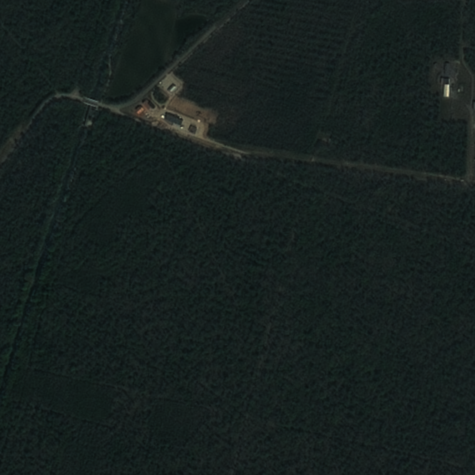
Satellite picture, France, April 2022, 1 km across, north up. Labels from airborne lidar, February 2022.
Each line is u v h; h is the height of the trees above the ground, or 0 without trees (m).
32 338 15
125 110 0
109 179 12
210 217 18
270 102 6
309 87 6
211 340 13
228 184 11
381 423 11
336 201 15
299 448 11
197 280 13
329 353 12
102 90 9
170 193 14
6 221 9
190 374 13
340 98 7
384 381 15
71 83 14
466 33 9
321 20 6
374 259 15
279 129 8
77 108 13
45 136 16
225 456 14
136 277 18
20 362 18
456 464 17
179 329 16
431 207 16
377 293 11
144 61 0
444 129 15
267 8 12
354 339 17
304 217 16
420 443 10
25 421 16
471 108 0
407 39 14
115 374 13
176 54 10
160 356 15
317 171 15
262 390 11
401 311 11
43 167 12
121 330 18
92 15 16
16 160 11
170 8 0
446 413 14
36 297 19
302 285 13
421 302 13
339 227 17
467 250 13
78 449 9
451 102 0
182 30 0
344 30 10
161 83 0
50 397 9
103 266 14
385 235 14
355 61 7
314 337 14
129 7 13
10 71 15
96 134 18
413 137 17
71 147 7
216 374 21
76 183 12
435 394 13
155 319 6
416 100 11
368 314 17
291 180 15
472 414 17
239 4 0
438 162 16
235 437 13
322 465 10
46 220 14
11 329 18
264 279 14
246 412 13
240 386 17
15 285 17
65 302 11
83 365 17
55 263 16
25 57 17
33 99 9
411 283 15
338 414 16
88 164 15
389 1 11
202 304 16
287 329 17
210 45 6
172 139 17
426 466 16
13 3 13
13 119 9
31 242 14
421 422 13
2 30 14
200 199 14
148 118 0
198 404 10
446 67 0
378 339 15
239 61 10
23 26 12
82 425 8
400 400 12
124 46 8
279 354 15
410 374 7
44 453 18
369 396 16
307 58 8
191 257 18
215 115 0
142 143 15
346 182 16
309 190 9
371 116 15
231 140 11
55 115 15
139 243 15
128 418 13
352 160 13
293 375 16
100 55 21
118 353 15
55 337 12
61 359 16
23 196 12
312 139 11
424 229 16
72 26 16
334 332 18
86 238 14
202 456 18
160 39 0
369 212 15
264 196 15
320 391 13
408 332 20
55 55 18
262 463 6
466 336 14
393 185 14
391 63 15
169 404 8
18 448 13
